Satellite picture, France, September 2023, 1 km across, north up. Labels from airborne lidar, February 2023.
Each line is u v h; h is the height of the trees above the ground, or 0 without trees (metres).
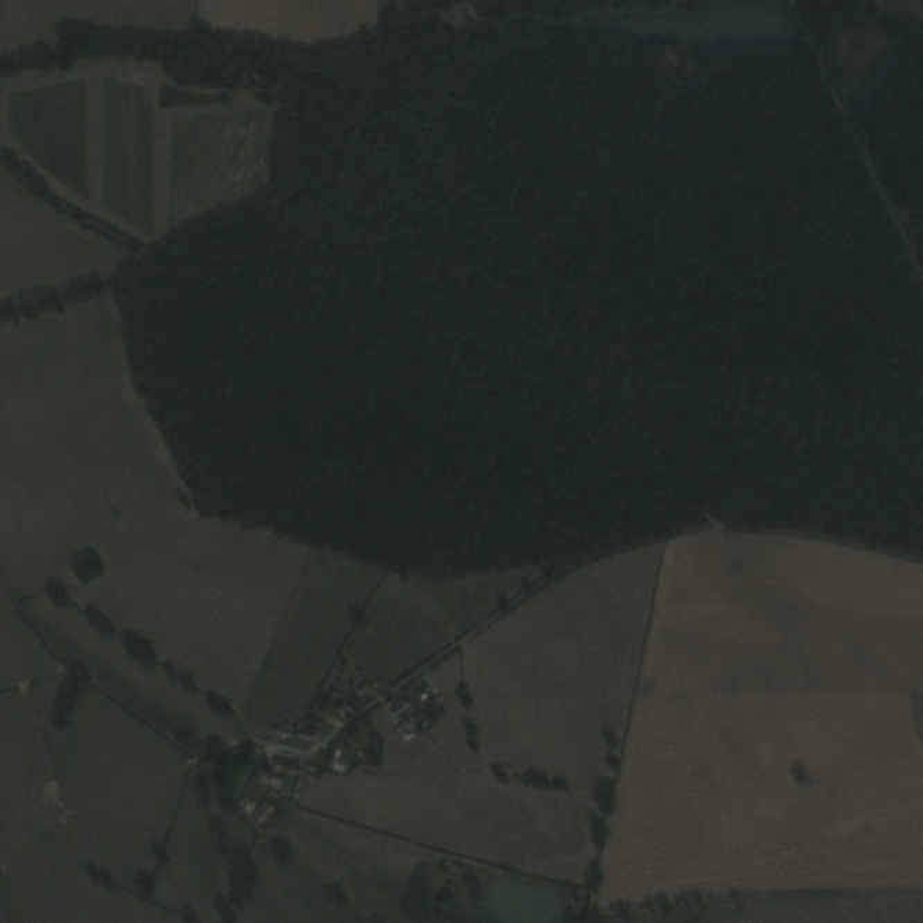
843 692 0
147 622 0
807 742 0
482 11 14
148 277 20
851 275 25
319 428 26
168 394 20
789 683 0
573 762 0
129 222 0
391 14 12
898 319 24
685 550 0
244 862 22
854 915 0
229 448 23
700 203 25
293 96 12
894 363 23
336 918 0
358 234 12
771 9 0
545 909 0
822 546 0
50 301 14
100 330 0
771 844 0
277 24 0
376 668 0
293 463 25
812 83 22
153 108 0
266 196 16
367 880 0
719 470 23
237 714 0
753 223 25
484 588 0
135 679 0
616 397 25
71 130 0
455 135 11
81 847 0
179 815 0
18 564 0
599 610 0
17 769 0
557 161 21
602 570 0
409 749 0
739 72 19
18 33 0
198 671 0
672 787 0
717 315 20
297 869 0
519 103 24
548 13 15
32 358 0
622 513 21
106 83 0
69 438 0
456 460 24
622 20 0
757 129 22
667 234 26
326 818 0
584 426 20
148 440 0
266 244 21
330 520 23
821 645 0
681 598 0
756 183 27
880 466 23
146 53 15
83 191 0
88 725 0
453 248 25
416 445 27
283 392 27
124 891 0
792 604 0
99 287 17
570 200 23
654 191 25
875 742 0
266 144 0
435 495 25
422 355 22
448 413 22
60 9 0
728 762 0
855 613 0
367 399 22
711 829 0
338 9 0
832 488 20
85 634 0
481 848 0
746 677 0
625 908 13
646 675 0
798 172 26
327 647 0
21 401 0
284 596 0
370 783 0
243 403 29
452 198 21
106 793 0
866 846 0
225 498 23
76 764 0
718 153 25
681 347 26
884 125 21
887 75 21
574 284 23
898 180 19
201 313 24
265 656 0
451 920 17
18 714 0
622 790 0
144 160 0
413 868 0
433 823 0
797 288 27
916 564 0
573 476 24
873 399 24
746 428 25
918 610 0
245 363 26
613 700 0
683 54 19
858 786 0
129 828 0
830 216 26
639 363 25
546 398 24
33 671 0
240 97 0
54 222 0
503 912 0
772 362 25
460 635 0
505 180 23
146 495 0
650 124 24
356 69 22
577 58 24
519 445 22
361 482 27
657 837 0
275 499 23
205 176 0
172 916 0
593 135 26
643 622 0
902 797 0
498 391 20
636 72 24
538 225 25
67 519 0
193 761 0
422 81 16
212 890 0
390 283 22
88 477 0
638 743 0
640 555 0
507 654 0
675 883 0
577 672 0
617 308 23
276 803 0
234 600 0
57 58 16
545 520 21
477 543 21
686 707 0
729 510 22
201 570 0
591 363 25
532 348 25
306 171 17
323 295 25
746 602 0
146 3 0
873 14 12
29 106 0
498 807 0
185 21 0
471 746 13
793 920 0
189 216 0
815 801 0
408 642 0
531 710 0
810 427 25
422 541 25
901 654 0
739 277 25
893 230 20
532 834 0
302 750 0
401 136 9
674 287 21
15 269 0
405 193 9
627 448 26
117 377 0
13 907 0
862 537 17
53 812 0
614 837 0
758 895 0
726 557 0
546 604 0
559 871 0
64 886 0
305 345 24
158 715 0
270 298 22
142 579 0
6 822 0
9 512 0
